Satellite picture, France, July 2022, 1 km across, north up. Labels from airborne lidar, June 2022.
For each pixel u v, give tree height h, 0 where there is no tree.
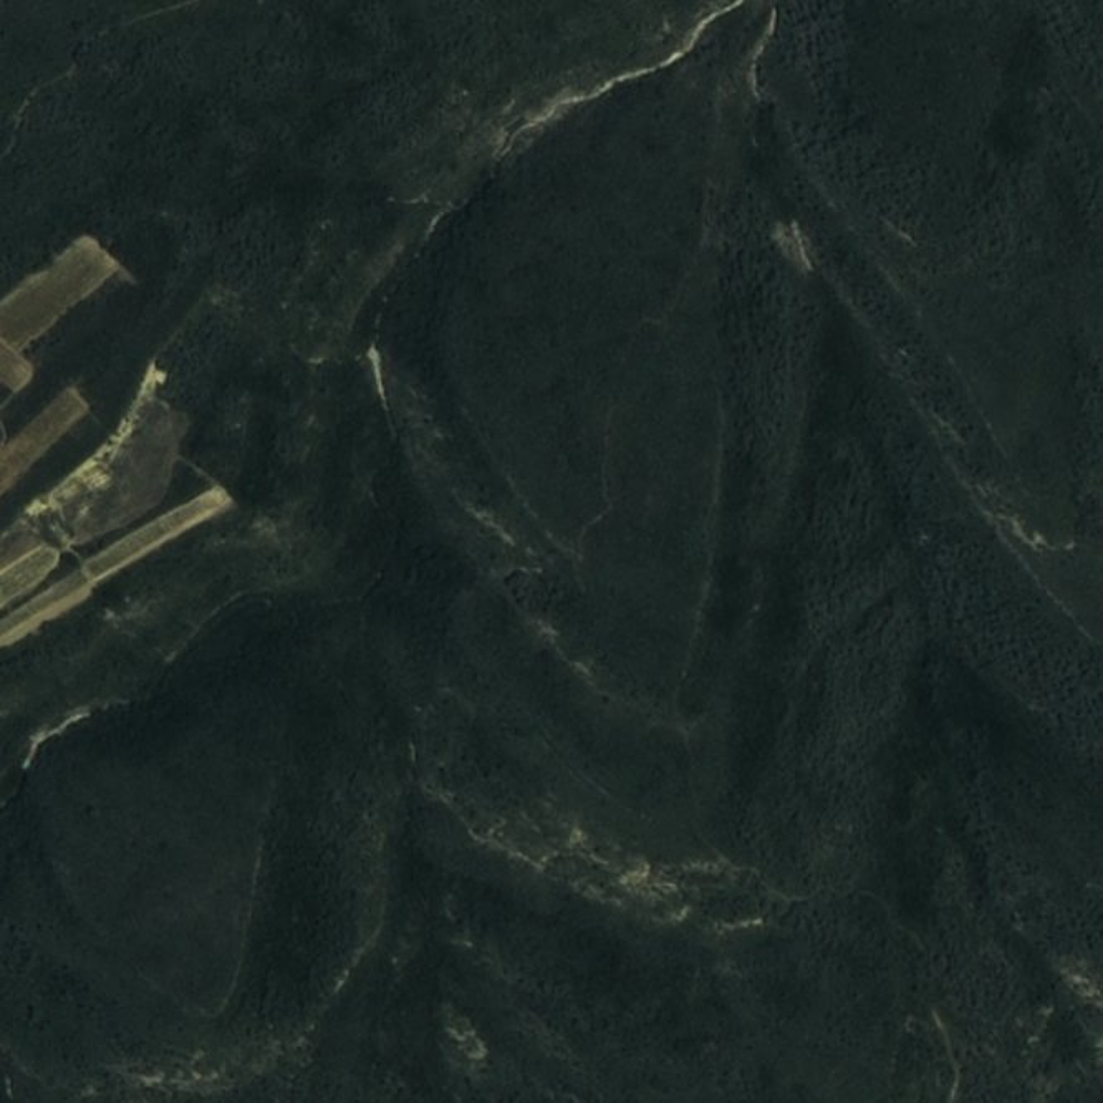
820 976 7
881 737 10
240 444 7
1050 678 11
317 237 7
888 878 6
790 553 8
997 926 7
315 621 9
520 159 6
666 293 6
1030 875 11
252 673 8
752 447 12
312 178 6
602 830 0
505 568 0
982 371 0
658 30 9
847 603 12
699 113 0
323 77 9
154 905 0
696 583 0
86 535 0
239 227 15
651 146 7
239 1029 6
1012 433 0
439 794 0
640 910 0
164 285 7
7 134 9
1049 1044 8
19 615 0
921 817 7
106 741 6
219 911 0
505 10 7
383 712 9
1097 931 7
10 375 0
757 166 10
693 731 0
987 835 11
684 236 6
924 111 8
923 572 8
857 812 7
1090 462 6
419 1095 8
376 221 7
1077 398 6
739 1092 6
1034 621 8
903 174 8
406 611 7
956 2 8
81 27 11
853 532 9
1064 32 11
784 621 7
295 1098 8
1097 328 6
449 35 8
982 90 0
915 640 12
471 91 6
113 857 0
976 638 9
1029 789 9
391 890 6
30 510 0
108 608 9
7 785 6
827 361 7
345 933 10
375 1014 6
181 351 8
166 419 0
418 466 0
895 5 8
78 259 0
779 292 12
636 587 0
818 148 8
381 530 10
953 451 6
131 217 7
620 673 5
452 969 6
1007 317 7
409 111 12
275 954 6
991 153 13
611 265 8
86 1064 7
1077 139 8
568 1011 11
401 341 7
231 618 6
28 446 0
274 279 10
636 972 6
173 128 11
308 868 8
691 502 0
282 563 15
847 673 8
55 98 8
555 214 0
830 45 12
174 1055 8
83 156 10
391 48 12
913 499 12
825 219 9
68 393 0
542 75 9
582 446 7
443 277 8
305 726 6
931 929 8
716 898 6
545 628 0
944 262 6
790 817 7
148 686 10
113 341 6
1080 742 11
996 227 11
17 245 8
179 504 0
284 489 7
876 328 6
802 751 9
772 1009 6
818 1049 8
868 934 8
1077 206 8
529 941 5
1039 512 0
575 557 0
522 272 6
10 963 8
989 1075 8
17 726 6
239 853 0
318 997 6
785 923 12
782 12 8
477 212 7
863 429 8
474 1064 0
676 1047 6
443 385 6
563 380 5
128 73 11
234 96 8
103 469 0
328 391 14
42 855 7
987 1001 7
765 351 17
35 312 0
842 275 7
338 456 5
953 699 7
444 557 6
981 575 8
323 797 8
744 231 16
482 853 0
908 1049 9
